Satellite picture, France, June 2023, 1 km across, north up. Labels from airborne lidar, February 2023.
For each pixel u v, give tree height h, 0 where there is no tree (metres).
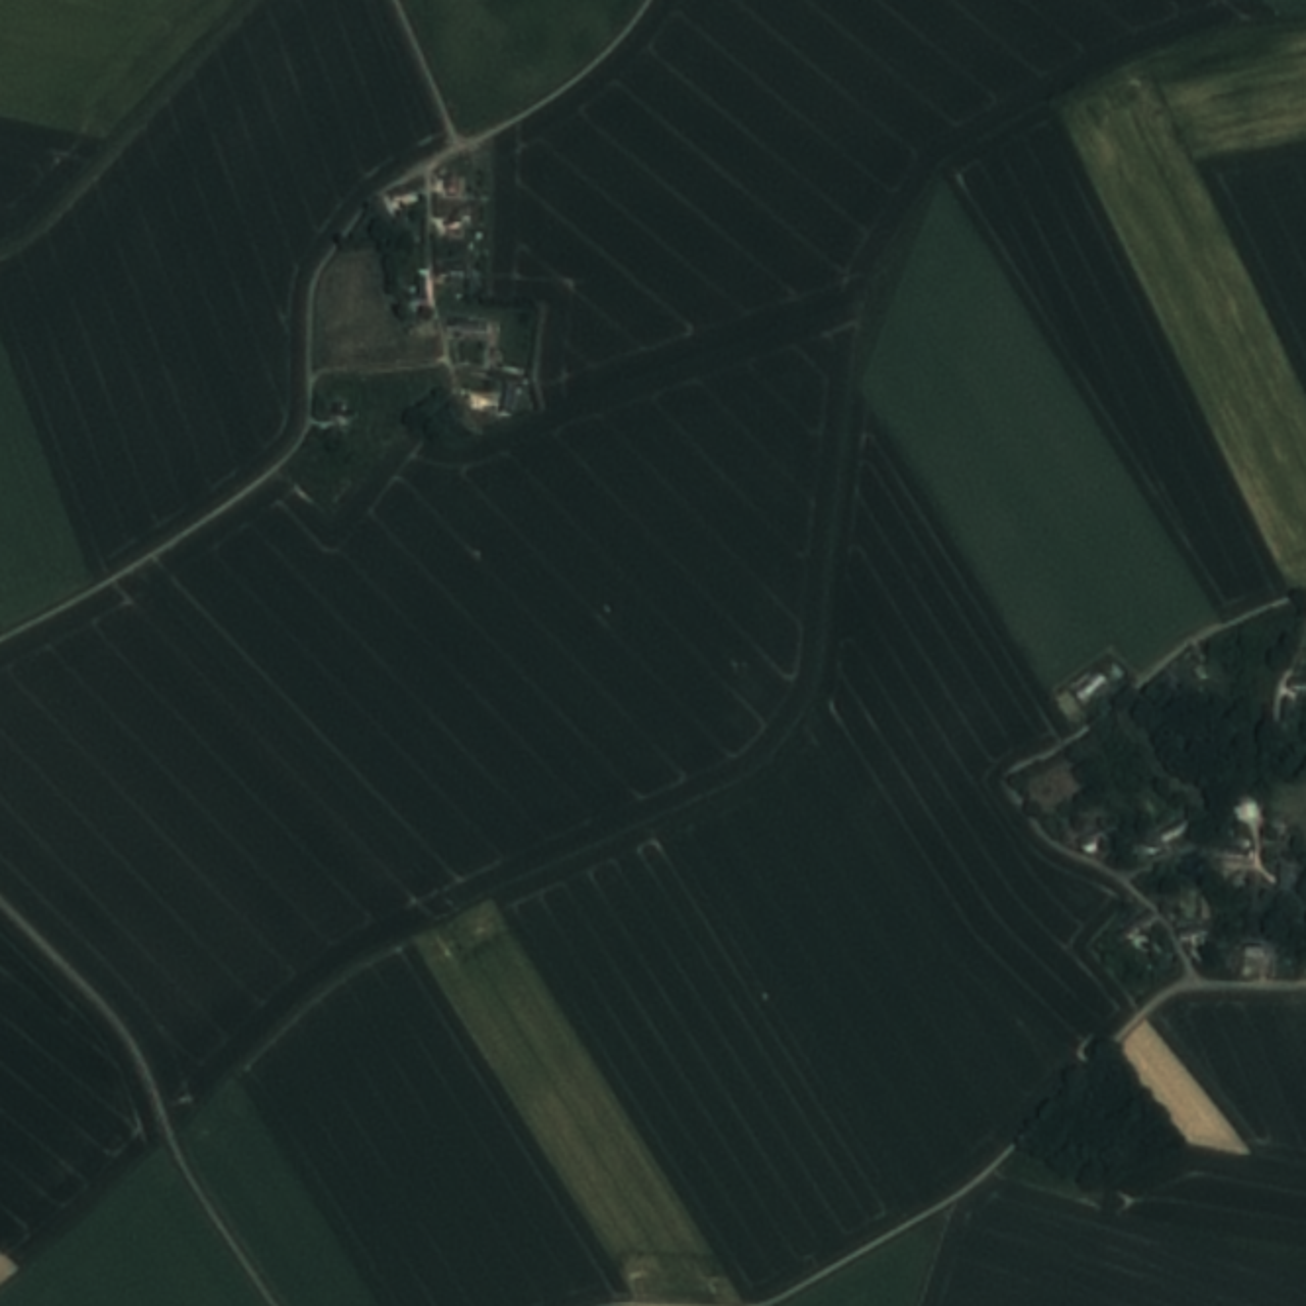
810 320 0
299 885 0
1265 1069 0
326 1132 0
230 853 0
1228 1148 0
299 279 0
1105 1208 0
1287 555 0
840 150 0
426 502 0
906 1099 0
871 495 0
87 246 0
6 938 0
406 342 0
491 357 0
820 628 0
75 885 0
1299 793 0
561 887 0
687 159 0
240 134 0
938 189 0
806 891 0
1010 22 0
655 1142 0
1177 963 9
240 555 0
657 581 0
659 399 0
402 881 0
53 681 0
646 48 0
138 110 0
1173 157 0
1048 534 0
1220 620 0
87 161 0
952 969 0
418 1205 0
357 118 0
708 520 0
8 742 0
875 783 0
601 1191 0
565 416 0
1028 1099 0
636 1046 0
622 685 0
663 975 0
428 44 0
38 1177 0
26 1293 0
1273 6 0
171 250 0
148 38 0
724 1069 0
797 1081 0
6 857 0
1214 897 10
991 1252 0
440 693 0
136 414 0
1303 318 0
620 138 0
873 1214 0
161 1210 0
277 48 0
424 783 0
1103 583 0
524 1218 0
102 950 0
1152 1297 0
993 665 0
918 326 0
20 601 0
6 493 0
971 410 0
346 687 0
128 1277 0
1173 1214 0
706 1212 0
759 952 0
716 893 0
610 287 0
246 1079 0
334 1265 0
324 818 0
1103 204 0
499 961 0
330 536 0
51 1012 0
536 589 0
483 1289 0
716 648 0
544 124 0
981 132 0
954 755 0
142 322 0
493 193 0
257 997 0
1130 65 0
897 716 0
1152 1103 14
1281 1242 0
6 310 0
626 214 0
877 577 0
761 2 0
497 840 0
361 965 0
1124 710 14
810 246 0
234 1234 0
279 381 0
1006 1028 0
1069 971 0
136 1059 0
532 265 0
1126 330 0
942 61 0
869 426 0
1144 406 0
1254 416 0
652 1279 0
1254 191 0
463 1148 0
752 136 0
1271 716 8
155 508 0
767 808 0
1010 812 0
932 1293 0
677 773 0
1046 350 0
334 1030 0
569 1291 0
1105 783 9
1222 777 18
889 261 0
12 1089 0
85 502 0
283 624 0
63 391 0
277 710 0
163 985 0
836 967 0
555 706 0
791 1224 0
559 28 0
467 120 0
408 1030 0
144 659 0
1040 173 0
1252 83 0
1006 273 0
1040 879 0
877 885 0
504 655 0
